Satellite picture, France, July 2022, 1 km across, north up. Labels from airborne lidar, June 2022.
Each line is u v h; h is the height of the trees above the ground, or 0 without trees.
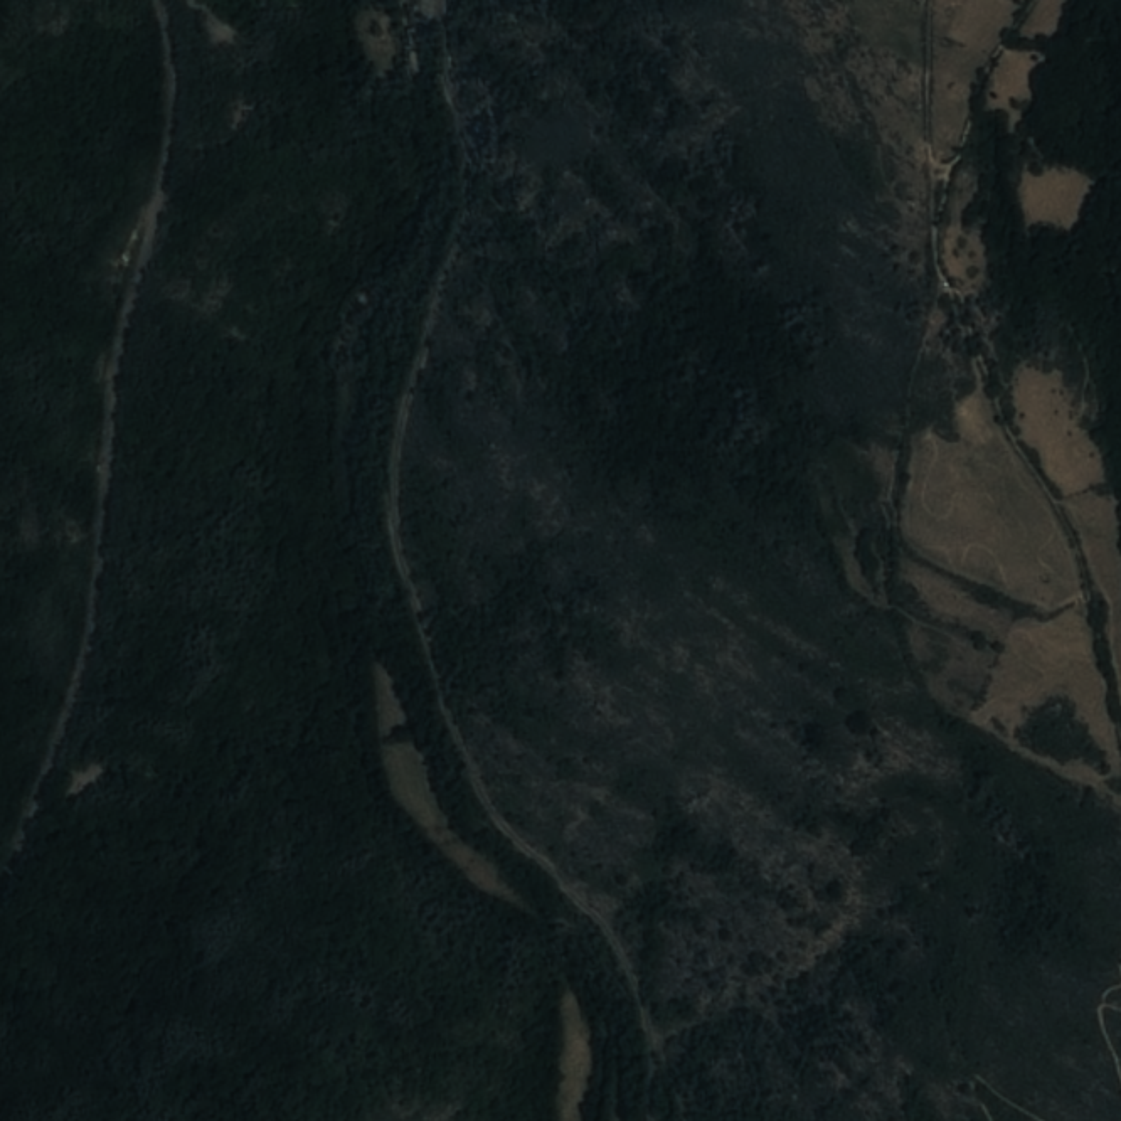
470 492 0
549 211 7
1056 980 0
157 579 16
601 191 6
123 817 28
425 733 12
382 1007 12
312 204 8
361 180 22
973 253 0
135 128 18
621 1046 16
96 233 10
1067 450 0
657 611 0
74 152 14
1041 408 0
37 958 28
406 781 0
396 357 12
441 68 6
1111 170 15
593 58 7
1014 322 11
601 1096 9
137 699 23
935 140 0
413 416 0
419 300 19
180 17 19
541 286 7
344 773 28
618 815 0
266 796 27
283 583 16
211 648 26
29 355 15
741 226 10
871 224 0
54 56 8
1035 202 0
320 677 21
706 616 0
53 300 18
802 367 8
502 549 0
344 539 17
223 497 18
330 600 19
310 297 8
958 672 0
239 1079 10
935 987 9
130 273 8
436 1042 11
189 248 11
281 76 26
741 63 0
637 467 7
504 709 6
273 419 22
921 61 0
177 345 16
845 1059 10
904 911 18
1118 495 9
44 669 21
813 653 0
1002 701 0
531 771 0
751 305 8
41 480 15
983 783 16
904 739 0
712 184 6
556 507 0
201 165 15
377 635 17
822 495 0
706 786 0
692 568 0
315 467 19
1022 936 8
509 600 8
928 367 0
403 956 14
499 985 7
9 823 23
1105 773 6
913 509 0
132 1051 16
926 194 0
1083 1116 0
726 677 0
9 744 25
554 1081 17
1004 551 0
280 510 14
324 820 20
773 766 0
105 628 14
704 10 0
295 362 10
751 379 17
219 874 23
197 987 22
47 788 14
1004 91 0
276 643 17
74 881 27
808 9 0
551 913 8
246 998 24
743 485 16
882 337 0
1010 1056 0
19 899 27
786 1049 7
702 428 9
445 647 8
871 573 12
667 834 8
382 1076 6
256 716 13
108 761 24
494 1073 10
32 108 11
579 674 0
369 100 9
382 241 11
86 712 23
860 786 0
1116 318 16
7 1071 22
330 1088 11
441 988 8
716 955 0
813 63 0
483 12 10
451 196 9
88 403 11
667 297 7
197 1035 21
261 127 17
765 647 0
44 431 18
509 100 15
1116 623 0
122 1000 21
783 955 7
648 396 13
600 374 7
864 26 0
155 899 25
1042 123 18
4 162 10
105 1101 20
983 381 6
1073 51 19
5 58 7
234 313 12
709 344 11
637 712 0
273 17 19
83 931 24
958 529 0
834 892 15
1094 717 0
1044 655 0
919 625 0
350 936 19
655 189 7
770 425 14
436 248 8
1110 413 12
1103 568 0
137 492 16
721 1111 6
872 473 0
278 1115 12
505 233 11
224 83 14
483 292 9
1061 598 0
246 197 13
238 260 11
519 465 0
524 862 10
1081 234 19
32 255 13
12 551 6
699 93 0
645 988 9
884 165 0
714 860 6
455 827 14
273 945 19
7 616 15
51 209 8
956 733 6
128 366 17
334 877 17
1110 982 0
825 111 0
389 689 0
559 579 0
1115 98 16
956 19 0
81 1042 23
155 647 21
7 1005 12
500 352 10
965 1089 13
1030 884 8
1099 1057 0
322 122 22
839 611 0
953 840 0
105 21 6
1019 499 0
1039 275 24
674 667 0
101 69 14
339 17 23
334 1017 23
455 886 13
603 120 0
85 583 12
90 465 8
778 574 0
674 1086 8
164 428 13
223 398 18
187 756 21
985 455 0
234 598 15
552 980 11
